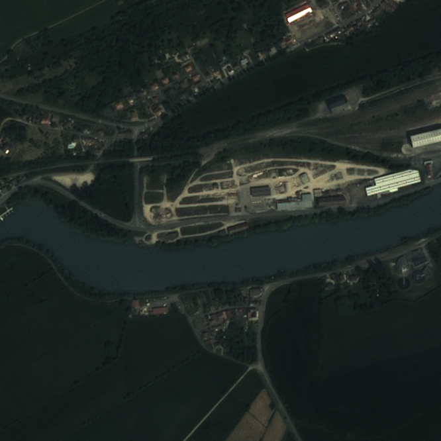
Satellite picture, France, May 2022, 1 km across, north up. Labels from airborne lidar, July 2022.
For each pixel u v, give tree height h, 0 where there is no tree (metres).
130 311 10
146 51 6
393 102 0
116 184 12
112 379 0
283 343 0
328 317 0
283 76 0
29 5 0
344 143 0
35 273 0
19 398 0
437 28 0
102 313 0
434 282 0
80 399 0
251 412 0
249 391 0
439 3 0
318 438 0
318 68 0
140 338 0
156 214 0
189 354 0
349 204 0
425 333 0
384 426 0
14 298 0
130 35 18
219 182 0
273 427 0
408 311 0
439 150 0
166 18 10
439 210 0
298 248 0
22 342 0
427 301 0
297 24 0
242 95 0
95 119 0
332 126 0
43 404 0
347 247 0
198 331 0
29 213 0
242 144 0
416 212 0
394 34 0
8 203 12
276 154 0
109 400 0
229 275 0
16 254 0
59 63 9
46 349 0
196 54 8
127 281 0
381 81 15
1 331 0
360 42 0
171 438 0
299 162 0
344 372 0
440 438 0
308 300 0
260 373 0
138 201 0
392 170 7
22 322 0
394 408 0
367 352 0
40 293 0
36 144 8
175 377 0
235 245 0
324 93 13
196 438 0
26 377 0
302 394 0
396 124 0
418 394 0
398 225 0
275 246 0
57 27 0
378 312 0
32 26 0
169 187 17
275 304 0
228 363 0
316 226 0
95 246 0
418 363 0
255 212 0
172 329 0
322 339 0
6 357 0
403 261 0
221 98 0
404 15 0
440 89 0
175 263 0
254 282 13
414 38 0
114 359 10
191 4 8
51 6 0
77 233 0
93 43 10
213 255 0
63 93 14
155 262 0
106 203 0
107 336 0
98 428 0
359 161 16
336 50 0
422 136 0
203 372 0
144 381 0
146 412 0
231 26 17
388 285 8
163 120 13
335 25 0
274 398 0
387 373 0
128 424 0
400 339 0
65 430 0
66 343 0
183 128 14
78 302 0
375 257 0
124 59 8
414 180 0
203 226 0
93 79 0
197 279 0
